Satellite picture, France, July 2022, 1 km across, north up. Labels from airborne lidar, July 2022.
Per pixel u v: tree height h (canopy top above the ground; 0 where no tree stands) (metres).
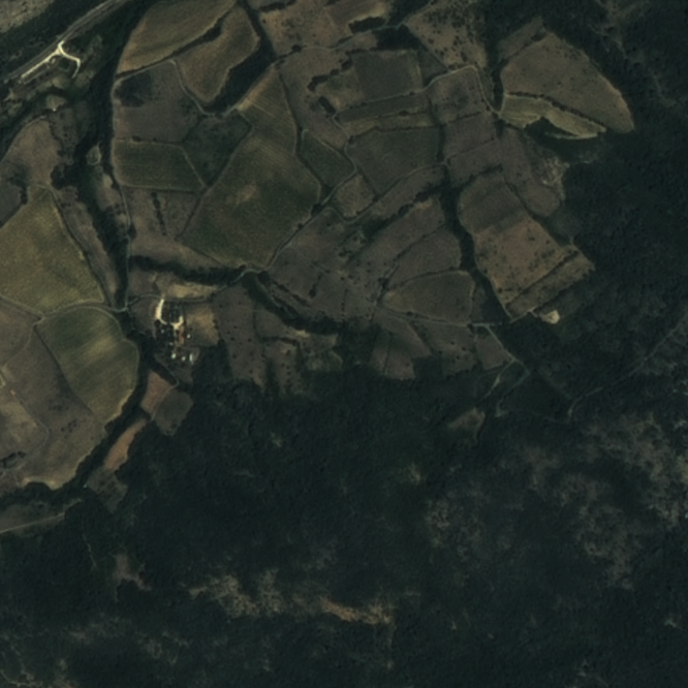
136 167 0
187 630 6
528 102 0
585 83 0
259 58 6
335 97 0
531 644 6
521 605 6
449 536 6
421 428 8
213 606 6
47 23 6
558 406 11
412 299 0
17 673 0
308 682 8
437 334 0
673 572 7
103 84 8
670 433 7
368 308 0
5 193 0
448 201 10
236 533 6
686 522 8
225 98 8
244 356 0
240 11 0
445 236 0
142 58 0
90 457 9
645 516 5
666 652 6
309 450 6
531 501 6
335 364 0
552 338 7
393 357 0
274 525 5
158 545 6
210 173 0
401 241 0
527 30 0
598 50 11
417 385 10
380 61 0
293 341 6
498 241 0
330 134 0
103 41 7
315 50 0
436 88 0
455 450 7
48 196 0
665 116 6
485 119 0
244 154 0
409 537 8
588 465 6
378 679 6
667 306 6
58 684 0
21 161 0
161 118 0
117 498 0
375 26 7
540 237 0
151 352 8
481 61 0
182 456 6
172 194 0
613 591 7
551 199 0
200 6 0
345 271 0
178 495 8
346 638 9
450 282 0
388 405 8
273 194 0
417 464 10
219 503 7
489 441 6
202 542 6
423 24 0
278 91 0
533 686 6
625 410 7
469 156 0
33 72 0
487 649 9
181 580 5
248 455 6
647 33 8
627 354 6
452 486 7
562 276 0
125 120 0
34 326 0
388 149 0
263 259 0
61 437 0
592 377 7
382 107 0
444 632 7
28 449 0
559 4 9
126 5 6
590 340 7
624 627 8
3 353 0
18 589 7
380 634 11
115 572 0
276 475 6
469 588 6
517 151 0
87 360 0
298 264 0
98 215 7
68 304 0
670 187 8
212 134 0
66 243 0
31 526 0
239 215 0
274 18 0
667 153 8
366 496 7
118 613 6
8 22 0
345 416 9
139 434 8
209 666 6
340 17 0
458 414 8
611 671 9
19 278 0
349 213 0
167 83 0
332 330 9
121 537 10
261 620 8
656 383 6
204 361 7
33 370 0
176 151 0
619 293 9
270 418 7
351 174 0
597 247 6
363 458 7
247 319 0
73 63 0
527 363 8
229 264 0
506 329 8
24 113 9
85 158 9
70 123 0
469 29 0
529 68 0
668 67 6
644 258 7
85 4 8
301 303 7
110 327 0
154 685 7
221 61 0
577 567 6
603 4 9
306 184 0
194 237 0
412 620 7
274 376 0
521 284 0
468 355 0
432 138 0
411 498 8
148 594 7
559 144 0
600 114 0
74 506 7
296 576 5
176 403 0
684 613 6
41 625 7
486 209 0
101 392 0
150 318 0
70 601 8
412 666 6
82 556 9
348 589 7
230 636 6
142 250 0
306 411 5
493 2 6
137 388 10
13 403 0
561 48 0
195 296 0
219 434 6
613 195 6
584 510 0
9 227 0
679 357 7
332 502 7
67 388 0
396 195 0
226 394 11
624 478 7
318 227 0
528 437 6
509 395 7
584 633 7
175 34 0
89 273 0
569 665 6
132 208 0
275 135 0
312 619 7
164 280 0
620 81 10
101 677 5
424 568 7
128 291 0
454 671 6
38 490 8
